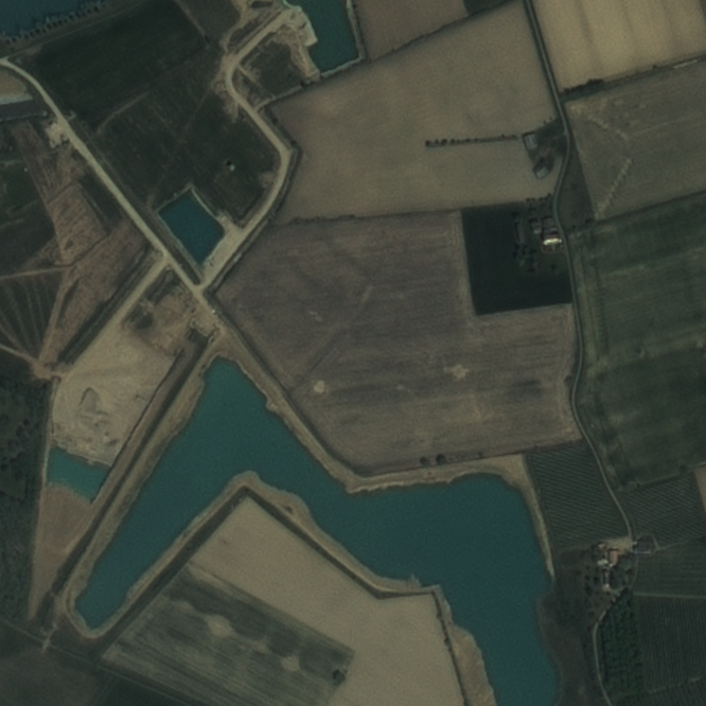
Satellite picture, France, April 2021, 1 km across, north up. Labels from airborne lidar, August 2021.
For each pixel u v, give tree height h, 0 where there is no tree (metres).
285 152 0
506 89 0
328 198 0
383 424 0
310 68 0
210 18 0
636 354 0
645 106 0
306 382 0
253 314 0
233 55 0
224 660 0
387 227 0
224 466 0
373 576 0
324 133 0
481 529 0
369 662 0
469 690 0
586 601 6
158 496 0
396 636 0
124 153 0
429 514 0
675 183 0
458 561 0
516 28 0
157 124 0
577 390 0
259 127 0
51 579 0
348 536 0
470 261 0
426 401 0
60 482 0
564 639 0
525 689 0
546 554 0
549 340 0
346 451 0
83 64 0
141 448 0
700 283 0
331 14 0
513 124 0
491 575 0
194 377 0
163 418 0
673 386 0
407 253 0
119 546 0
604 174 0
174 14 0
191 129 0
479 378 0
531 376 0
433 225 0
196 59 0
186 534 0
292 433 0
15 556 23
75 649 0
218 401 0
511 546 0
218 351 0
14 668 0
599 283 0
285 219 0
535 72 0
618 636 14
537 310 0
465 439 0
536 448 7
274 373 0
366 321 0
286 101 0
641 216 0
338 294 0
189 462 0
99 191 0
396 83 0
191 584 0
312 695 0
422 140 0
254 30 0
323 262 0
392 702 0
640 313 0
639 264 0
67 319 0
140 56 0
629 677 15
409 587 0
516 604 0
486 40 0
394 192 0
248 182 0
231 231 0
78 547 0
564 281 0
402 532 0
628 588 10
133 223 0
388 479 0
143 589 0
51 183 0
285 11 0
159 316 0
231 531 0
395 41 0
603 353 0
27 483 12
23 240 0
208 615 0
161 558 0
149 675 0
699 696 9
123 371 0
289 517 0
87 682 0
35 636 0
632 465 0
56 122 0
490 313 0
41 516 0
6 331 0
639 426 0
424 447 0
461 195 0
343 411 0
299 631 0
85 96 0
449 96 0
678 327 0
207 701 0
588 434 0
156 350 0
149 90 0
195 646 0
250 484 0
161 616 0
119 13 0
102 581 0
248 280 0
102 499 0
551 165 0
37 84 0
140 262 0
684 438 0
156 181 0
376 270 0
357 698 0
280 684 0
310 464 0
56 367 0
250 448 0
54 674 0
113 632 0
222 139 0
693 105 0
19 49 0
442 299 0
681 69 0
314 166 0
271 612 0
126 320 0
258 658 0
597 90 14
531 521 0
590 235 0
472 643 0
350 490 0
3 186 0
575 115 0
